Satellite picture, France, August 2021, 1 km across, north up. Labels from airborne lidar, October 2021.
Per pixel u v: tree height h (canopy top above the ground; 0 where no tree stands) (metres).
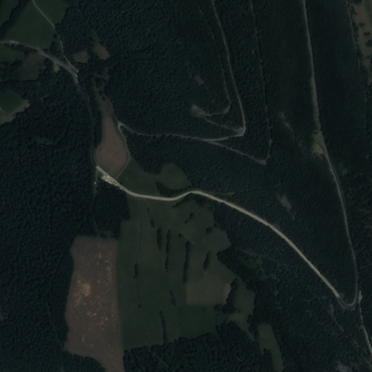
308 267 12
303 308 11
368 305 16
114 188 8
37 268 29
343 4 11
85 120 20
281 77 14
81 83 8
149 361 5
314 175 21
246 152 16
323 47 18
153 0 15
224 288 0
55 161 18
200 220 0
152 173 9
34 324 24
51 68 12
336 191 18
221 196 10
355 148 23
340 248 19
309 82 20
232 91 11
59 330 8
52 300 14
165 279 0
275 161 17
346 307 0
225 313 15
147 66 16
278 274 11
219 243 0
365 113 12
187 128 13
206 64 14
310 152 12
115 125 0
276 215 12
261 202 11
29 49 16
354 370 10
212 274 0
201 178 9
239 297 0
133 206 0
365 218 21
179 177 0
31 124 30
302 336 12
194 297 0
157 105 14
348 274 17
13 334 18
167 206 0
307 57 17
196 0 14
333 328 11
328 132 21
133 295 0
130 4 14
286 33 13
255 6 16
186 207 0
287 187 13
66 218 15
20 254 17
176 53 14
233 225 11
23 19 0
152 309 0
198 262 0
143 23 18
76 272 0
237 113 17
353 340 8
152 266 0
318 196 20
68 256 17
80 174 13
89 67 24
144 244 0
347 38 18
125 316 0
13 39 0
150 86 5
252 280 18
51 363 16
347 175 9
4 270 21
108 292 0
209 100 9
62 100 20
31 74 0
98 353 0
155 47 15
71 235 16
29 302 20
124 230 0
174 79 14
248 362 26
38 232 23
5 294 18
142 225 0
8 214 21
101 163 0
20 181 28
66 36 14
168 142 13
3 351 7
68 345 0
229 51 6
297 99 20
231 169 11
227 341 25
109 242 0
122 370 0
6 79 18
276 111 13
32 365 16
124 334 0
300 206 13
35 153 28
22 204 19
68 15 17
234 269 24
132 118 14
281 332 19
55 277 14
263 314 11
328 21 20
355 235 21
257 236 12
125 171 0
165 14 20
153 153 14
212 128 10
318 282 6
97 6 13
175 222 0
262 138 17
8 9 0
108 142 0
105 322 0
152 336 0
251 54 19
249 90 20
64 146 28
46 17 0
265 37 18
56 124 23
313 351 10
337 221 18
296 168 22
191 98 14
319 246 10
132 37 13
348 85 22
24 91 19
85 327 0
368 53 0
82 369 18
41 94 17
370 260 21
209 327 0
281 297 14
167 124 14
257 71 15
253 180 16
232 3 17
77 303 0
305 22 17
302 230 13
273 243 10
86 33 20
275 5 16
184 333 0
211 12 17
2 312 7
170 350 29
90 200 18
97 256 0
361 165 22
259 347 14
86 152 22
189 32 14
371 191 19
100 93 8
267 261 8
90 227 15
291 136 10
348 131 25
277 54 18
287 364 12
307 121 24
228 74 16
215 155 12
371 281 20
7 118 0
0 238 23
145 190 0
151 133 14
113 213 11
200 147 11
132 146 13
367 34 10
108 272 0
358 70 23
